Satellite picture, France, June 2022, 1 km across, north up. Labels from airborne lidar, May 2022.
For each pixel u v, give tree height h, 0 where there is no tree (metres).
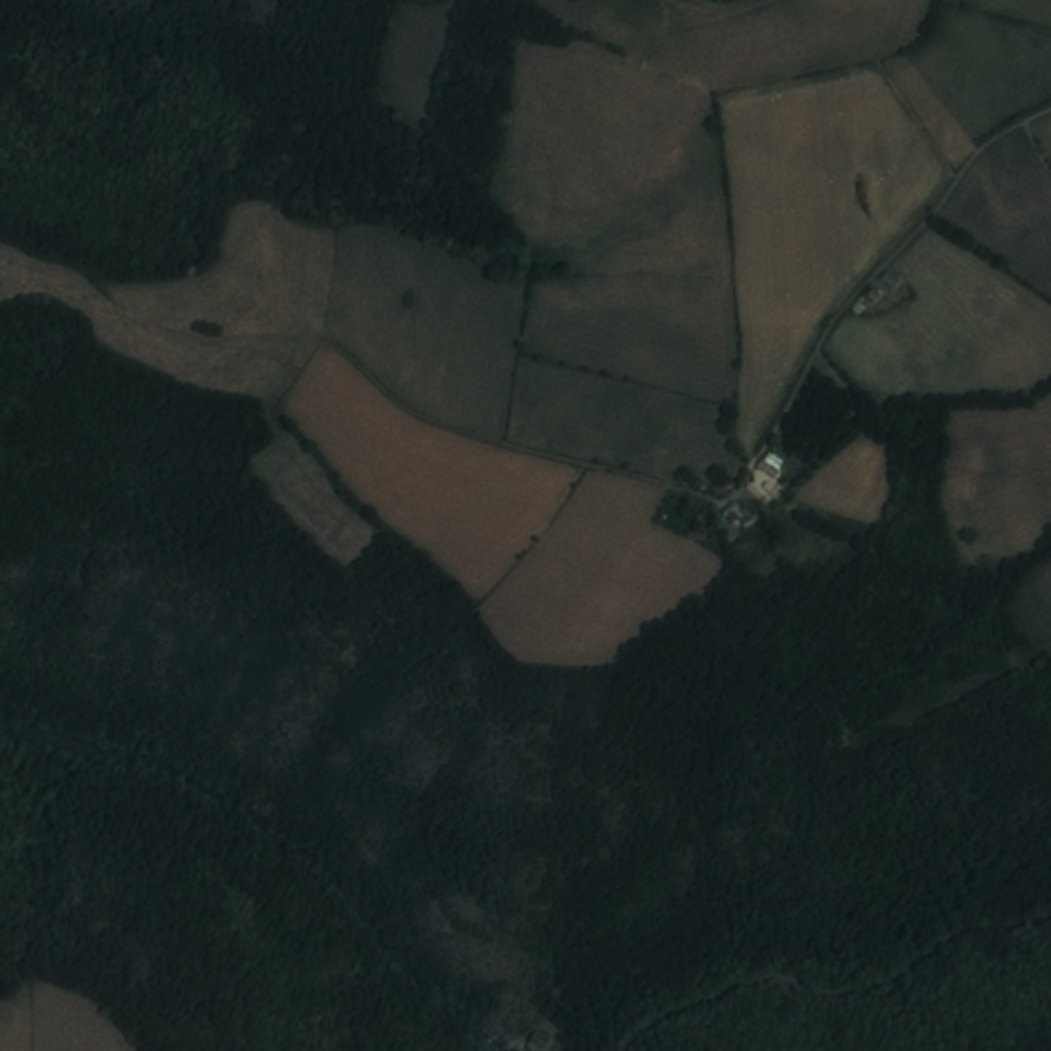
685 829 16
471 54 10
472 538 0
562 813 10
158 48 17
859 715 15
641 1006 13
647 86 0
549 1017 15
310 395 0
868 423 13
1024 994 14
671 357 0
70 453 7
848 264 0
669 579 0
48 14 25
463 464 0
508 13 15
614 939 13
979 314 0
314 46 15
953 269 0
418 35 0
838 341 0
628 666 11
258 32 14
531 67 0
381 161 19
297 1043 15
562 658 0
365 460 0
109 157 18
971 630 15
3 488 8
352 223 16
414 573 8
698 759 24
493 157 13
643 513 0
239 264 0
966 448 0
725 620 12
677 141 0
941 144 0
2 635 8
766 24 0
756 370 0
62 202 13
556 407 0
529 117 0
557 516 0
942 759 10
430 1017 11
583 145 0
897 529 20
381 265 0
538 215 0
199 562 9
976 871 26
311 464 0
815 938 25
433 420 0
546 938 7
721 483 12
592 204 0
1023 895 28
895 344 0
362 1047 15
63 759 23
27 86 20
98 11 11
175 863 15
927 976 16
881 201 0
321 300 0
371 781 8
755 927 27
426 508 0
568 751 9
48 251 11
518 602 0
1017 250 0
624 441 0
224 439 11
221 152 10
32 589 11
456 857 15
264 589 17
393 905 13
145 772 22
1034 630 0
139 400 7
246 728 6
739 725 18
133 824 9
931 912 23
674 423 0
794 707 12
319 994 16
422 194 12
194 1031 11
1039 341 0
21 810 16
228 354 0
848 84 0
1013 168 0
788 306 0
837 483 0
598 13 0
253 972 9
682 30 0
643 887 8
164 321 0
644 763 17
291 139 24
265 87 27
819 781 10
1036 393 9
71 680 8
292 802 14
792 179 0
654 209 0
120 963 11
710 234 0
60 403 9
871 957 22
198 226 17
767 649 18
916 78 0
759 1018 13
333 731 13
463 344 0
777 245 0
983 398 14
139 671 8
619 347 0
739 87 0
